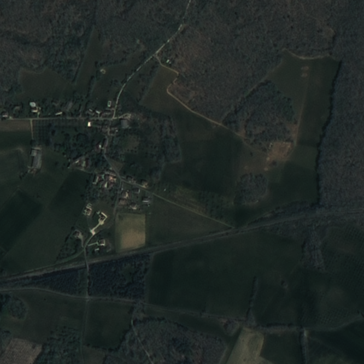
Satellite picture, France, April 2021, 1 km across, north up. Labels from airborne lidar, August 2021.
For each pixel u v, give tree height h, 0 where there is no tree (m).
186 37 17
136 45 12
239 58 19
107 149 9
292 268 0
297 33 7
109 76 0
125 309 0
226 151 0
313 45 8
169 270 0
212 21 11
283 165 0
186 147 0
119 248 0
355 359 0
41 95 0
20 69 11
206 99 13
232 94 8
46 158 0
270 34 12
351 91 15
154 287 0
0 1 11
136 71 7
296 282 0
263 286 0
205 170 0
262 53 18
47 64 13
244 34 14
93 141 9
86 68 0
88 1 6
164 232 0
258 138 13
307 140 0
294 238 13
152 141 0
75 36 7
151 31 16
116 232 0
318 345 0
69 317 0
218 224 0
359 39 16
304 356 11
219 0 11
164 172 0
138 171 15
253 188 17
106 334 0
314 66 0
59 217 0
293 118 15
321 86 0
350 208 20
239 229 0
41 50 14
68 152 17
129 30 14
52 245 0
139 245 0
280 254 0
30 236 0
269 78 0
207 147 0
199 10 13
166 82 0
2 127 0
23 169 0
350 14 20
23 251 0
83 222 0
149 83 16
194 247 0
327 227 11
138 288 15
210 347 19
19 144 0
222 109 14
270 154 0
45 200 0
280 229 13
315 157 0
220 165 0
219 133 0
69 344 10
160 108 0
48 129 11
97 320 0
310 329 0
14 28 11
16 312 24
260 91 18
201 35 17
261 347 0
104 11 12
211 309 0
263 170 0
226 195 0
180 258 0
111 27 15
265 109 18
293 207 12
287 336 0
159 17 6
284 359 0
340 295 0
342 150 15
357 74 12
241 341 0
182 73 11
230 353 0
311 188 0
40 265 0
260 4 8
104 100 0
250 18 6
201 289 0
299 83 0
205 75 9
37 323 0
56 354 21
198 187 0
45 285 14
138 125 0
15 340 0
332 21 14
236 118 18
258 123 8
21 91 13
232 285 0
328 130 19
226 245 0
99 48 0
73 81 8
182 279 0
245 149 0
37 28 9
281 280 0
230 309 0
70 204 0
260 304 0
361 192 17
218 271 0
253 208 0
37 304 0
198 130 0
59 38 11
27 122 0
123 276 11
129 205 9
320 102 0
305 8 6
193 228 0
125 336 20
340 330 0
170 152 22
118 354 18
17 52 18
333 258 6
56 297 0
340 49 24
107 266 11
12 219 0
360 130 15
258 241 0
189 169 0
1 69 13
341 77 14
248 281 0
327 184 14
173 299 0
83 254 0
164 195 0
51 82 0
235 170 0
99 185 9
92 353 0
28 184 0
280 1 10
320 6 7
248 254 0
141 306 18
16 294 0
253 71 13
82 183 0
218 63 13
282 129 11
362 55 11
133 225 0
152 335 22
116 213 0
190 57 13
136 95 0
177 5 13
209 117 15
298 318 6
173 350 25
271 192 0
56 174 0
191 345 13
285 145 0
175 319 0
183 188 0
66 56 18
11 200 0
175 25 8
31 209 0
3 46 14
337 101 18
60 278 13
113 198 8
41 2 6
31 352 0
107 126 5
